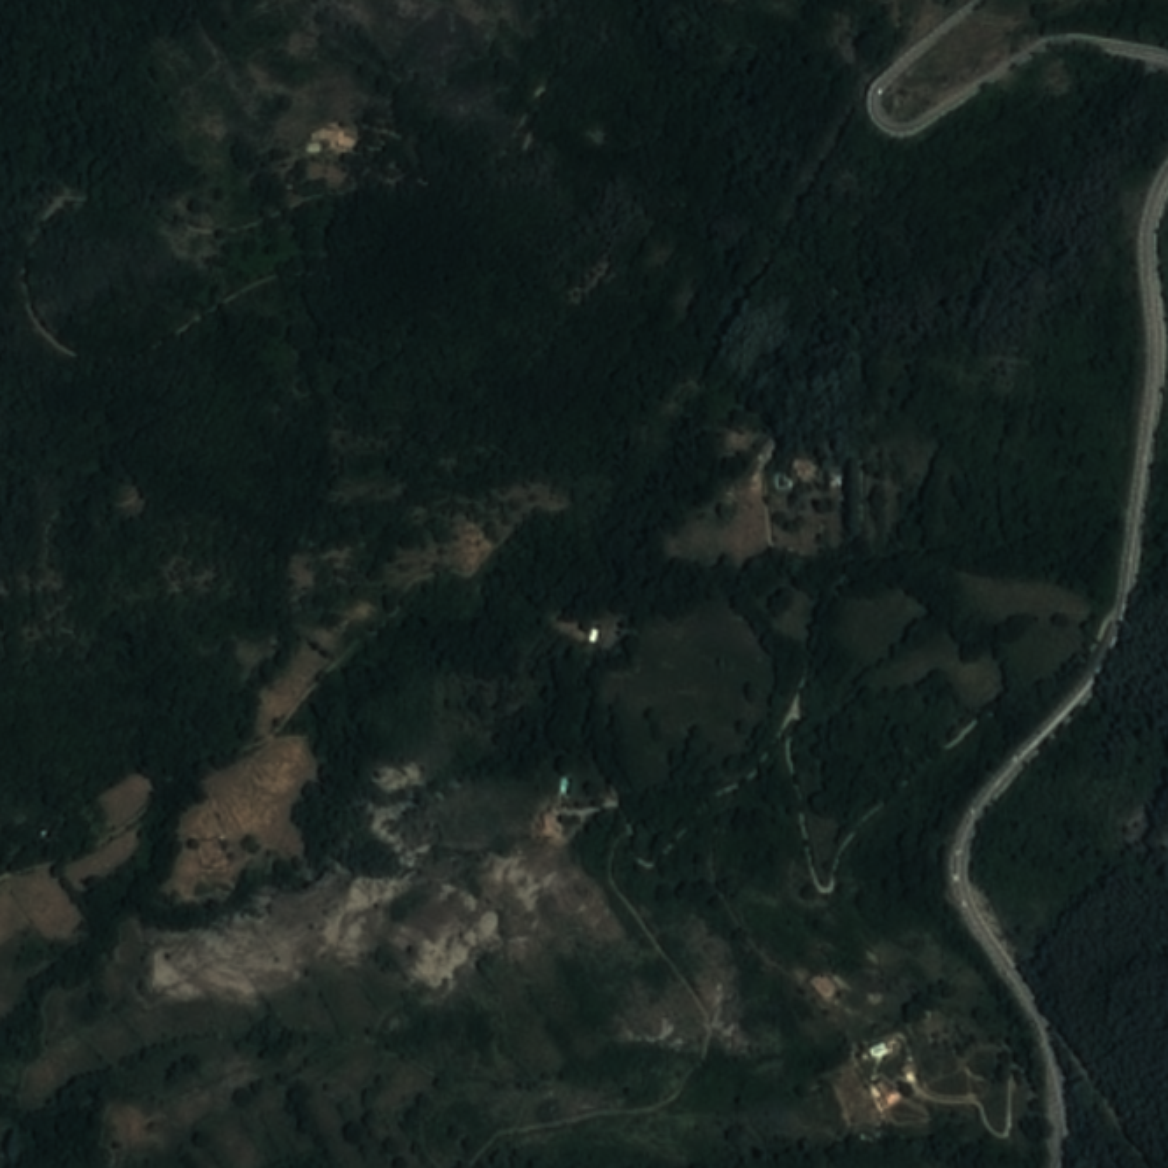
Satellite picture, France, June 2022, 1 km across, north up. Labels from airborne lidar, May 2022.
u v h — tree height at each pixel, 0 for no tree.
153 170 11
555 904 0
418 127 7
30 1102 0
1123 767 5
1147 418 0
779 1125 0
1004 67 0
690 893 17
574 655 13
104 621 8
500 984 0
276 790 0
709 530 0
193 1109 0
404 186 11
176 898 5
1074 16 8
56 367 7
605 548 20
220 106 0
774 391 15
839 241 17
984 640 14
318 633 0
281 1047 11
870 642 0
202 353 10
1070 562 11
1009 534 10
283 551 19
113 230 5
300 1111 9
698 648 0
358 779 13
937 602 20
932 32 0
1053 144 21
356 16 0
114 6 17
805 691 8
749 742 8
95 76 15
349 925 0
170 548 10
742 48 7
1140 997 21
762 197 8
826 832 0
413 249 21
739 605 17
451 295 20
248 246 12
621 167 5
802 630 0
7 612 14
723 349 21
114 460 9
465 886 0
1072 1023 20
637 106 15
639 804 10
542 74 8
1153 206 0
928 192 17
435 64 0
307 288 11
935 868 11
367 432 14
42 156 10
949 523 6
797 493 15
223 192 8
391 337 15
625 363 18
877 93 0
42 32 17
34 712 11
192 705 10
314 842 12
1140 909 16
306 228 10
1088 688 0
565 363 13
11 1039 13
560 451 12
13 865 12
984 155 14
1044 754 6
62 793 13
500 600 22
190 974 0
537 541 12
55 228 8
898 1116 0
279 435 10
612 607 13
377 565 10
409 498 14
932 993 7
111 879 9
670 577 17
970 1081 0
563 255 16
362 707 13
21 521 7
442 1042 0
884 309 31
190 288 10
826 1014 6
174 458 13
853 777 8
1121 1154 26
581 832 6
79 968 13
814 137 14
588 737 6
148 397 15
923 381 13
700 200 16
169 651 6
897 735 11
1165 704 19
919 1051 0
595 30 9
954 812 9
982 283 19
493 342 17
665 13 15
